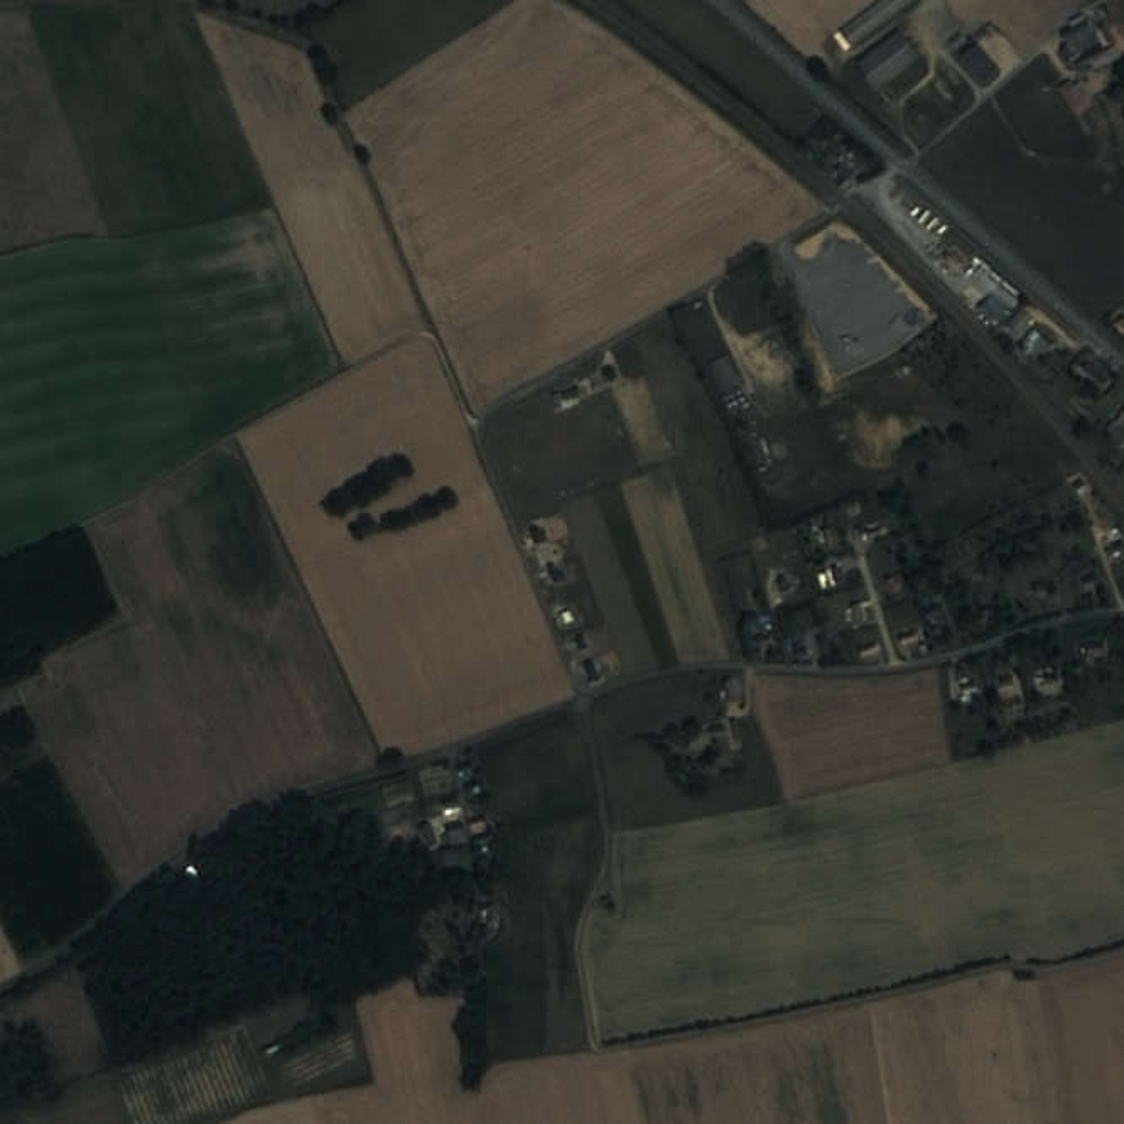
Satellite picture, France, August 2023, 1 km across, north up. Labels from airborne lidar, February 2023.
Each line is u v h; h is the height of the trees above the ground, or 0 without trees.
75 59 0
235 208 0
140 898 10
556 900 0
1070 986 0
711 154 0
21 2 0
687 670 0
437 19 0
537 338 0
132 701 0
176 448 0
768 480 0
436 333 0
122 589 0
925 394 0
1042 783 0
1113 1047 0
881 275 0
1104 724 0
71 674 0
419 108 0
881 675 0
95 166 0
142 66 0
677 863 0
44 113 0
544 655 0
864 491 0
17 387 0
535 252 0
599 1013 0
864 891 0
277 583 0
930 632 13
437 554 0
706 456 0
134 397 0
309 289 0
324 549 0
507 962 0
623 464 0
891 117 0
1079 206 0
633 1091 0
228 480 0
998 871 0
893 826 0
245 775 0
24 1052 16
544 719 0
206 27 0
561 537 0
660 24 0
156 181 0
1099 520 0
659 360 0
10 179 0
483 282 0
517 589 0
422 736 0
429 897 23
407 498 0
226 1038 0
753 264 20
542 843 0
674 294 0
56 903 5
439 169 0
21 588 16
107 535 0
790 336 16
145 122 0
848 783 0
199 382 0
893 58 0
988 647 0
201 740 0
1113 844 0
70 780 0
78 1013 0
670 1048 0
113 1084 0
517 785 0
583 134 0
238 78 0
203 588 0
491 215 0
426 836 0
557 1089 0
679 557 0
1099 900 0
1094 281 0
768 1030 0
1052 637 10
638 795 0
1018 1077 0
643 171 0
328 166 0
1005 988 0
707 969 0
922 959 0
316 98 0
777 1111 0
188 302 0
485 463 0
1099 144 0
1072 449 0
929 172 0
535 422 0
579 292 0
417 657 0
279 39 0
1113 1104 0
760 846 0
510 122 0
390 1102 0
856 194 0
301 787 0
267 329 0
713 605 0
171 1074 0
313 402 0
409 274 0
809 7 0
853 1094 0
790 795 0
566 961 0
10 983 0
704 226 0
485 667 0
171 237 0
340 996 14
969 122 0
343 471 0
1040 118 0
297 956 25
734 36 0
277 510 0
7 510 0
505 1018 0
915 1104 0
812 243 0
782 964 0
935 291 0
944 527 0
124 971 12
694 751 0
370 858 13
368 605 0
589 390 0
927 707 0
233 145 0
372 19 0
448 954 0
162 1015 18
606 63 0
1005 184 0
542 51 0
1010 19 0
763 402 0
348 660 0
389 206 0
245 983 21
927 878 0
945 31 0
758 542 0
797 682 0
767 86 0
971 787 0
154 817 0
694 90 0
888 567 0
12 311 0
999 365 0
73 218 0
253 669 0
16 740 8
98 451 0
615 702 0
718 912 0
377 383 0
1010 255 0
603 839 0
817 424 0
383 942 18
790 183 0
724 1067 0
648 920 0
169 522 0
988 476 0
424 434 0
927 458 0
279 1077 0
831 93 0
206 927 21
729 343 0
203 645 0
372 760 0
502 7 0
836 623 0
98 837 0
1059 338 0
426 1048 0
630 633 0
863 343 0
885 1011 0
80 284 0
